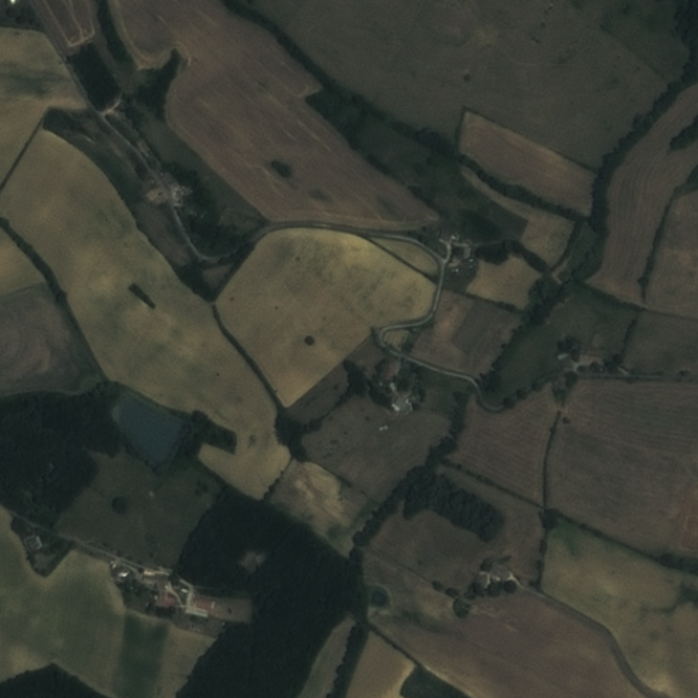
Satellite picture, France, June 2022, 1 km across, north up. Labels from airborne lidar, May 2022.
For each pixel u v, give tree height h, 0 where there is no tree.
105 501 0
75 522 0
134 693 0
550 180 0
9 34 0
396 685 0
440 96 0
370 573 0
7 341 0
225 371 0
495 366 15
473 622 0
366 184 0
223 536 17
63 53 0
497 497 0
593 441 0
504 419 0
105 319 0
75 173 0
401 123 7
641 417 0
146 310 0
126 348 0
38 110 0
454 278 0
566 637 0
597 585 0
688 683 0
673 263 0
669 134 0
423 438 0
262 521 13
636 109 0
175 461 12
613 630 0
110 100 9
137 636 0
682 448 0
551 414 0
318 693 0
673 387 0
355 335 0
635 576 0
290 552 14
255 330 0
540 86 0
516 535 0
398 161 0
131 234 0
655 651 0
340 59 0
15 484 16
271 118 0
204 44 0
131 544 0
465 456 0
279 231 0
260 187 0
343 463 0
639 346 0
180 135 0
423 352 0
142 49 0
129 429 0
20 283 0
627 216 0
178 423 0
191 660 0
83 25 0
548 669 0
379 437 0
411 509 9
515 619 0
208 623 0
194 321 0
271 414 0
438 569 0
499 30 0
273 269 0
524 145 0
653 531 0
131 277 0
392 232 0
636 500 0
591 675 0
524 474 0
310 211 0
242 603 0
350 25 0
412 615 0
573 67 0
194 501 0
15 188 0
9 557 0
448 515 14
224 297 0
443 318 0
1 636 0
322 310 0
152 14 0
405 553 0
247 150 0
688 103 0
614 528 0
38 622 0
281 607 14
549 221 0
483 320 0
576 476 0
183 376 0
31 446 19
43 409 18
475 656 0
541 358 0
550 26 0
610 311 0
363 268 0
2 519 0
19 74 0
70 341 0
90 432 22
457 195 0
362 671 0
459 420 18
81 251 0
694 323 0
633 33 0
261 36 0
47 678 9
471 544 0
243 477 0
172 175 10
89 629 0
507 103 0
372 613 0
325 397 0
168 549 0
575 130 0
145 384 0
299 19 0
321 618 18
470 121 0
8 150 0
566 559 0
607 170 23
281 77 0
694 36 22
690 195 0
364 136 0
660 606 0
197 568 19
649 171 0
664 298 0
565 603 0
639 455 0
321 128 0
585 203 0
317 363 0
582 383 0
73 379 0
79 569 0
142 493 0
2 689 12
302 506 0
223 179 0
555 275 0
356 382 23
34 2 0
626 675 0
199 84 0
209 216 0
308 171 0
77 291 0
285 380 0
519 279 0
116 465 0
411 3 0
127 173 0
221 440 12
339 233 0
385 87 0
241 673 13
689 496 0
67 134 0
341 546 0
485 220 0
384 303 0
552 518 24
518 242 11
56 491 21
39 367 0
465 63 0
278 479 7
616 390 0
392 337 0
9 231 6
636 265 0
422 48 0
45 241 0
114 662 0
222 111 0
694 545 0
